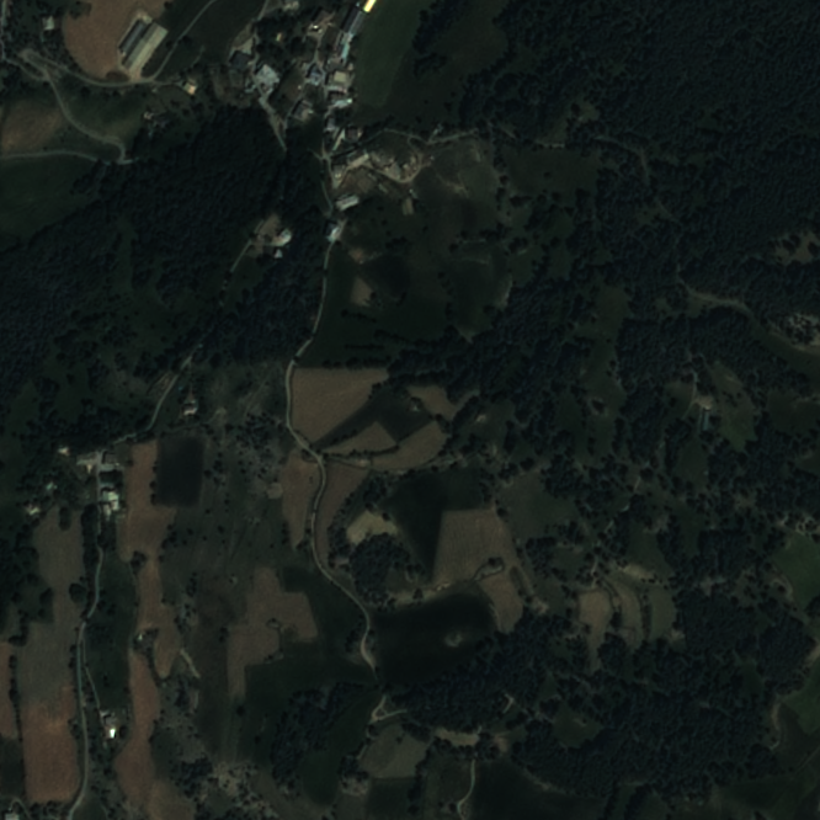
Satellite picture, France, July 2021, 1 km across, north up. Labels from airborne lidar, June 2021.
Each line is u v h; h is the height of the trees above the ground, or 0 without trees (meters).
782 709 0
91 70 0
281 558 0
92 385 12
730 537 16
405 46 0
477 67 0
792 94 22
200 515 0
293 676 0
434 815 0
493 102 25
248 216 21
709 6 25
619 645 19
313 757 0
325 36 0
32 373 21
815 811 0
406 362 18
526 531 0
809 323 7
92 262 18
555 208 12
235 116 22
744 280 20
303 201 23
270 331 21
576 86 23
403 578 0
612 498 22
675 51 18
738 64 26
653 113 23
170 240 21
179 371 13
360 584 10
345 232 0
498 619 0
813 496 21
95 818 0
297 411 0
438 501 0
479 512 0
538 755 21
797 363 0
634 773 18
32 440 11
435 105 0
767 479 20
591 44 21
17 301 10
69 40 0
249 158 26
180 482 0
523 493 0
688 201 24
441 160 0
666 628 0
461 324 0
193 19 0
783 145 10
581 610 0
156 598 0
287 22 13
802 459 0
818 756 0
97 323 16
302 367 0
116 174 18
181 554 0
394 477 0
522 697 25
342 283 0
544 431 22
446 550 0
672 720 25
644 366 18
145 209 13
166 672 0
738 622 17
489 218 0
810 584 0
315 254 10
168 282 19
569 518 0
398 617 0
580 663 11
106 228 13
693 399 0
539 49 22
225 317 12
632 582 0
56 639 0
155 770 0
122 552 0
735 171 29
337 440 8
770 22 12
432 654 0
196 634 0
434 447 0
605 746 26
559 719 0
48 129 0
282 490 0
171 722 0
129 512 0
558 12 14
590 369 0
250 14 0
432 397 0
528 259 0
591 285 11
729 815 0
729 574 16
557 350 28
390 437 0
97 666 0
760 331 0
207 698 0
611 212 14
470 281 0
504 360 25
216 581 0
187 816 0
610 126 18
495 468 0
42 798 0
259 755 0
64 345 20
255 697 0
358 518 0
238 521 0
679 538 23
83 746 0
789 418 0
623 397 0
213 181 19
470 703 20
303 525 0
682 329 23
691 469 0
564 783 18
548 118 24
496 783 0
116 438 10
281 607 0
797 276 25
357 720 0
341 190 0
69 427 12
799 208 22
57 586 0
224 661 0
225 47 0
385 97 0
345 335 0
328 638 0
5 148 0
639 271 23
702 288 10
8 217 0
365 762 0
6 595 11
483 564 0
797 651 25
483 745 10
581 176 0
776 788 0
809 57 12
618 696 11
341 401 0
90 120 0
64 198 0
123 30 0
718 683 15
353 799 0
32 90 6
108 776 9
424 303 0
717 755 20
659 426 17
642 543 0
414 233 0
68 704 0
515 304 17
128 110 0
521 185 0
